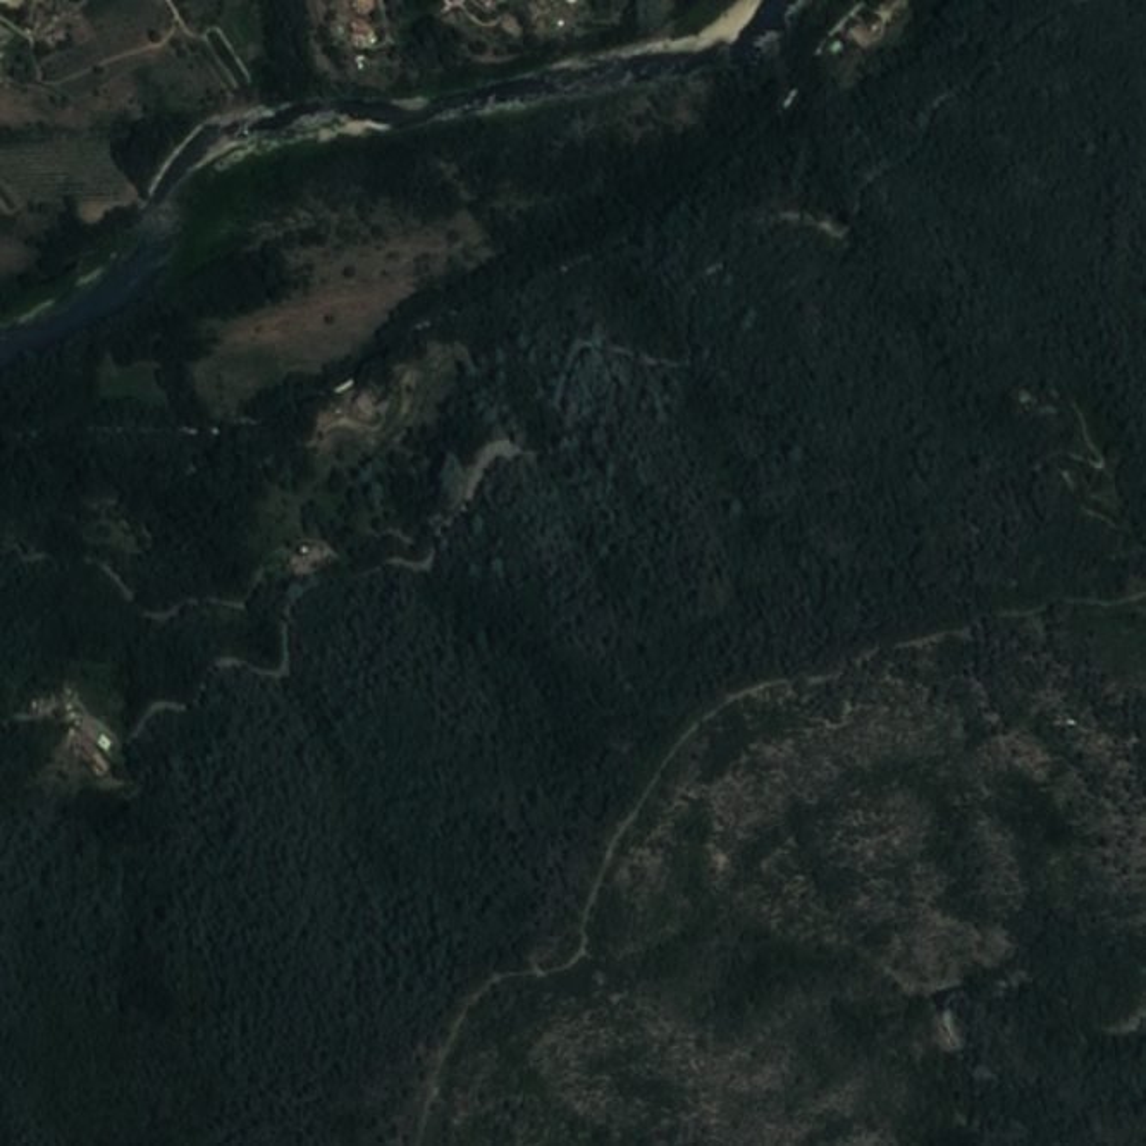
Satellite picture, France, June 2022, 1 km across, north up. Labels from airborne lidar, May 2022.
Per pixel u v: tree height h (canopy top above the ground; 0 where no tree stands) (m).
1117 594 6
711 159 18
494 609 11
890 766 8
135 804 16
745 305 9
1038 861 10
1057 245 11
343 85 9
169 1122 11
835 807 9
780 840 13
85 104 0
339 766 11
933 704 17
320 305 0
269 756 16
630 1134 10
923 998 21
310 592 9
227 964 22
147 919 24
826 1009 7
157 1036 19
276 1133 15
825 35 8
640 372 13
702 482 11
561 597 13
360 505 7
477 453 11
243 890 17
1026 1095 8
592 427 8
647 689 8
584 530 7
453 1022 17
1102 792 12
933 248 10
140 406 17
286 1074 9
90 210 0
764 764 7
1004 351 7
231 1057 21
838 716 15
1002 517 11
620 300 12
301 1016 16
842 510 11
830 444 6
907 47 8
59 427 13
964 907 10
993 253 10
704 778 6
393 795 7
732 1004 9
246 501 16
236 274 11
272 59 9
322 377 8
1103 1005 10
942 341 11
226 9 12
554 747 9
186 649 13
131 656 16
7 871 21
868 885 8
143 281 0
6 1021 15
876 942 14
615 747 8
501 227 13
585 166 11
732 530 7
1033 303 11
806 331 7
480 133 15
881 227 10
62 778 7
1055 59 10
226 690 11
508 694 14
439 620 7
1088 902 10
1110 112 11
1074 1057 8
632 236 13
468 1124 6
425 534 11
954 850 15
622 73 0
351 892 12
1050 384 11
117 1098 15
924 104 12
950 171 11
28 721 8
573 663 7
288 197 6
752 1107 9
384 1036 15
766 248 8
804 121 15
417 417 0
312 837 22
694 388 9
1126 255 22
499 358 25
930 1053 8
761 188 13
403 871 9
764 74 21
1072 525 8
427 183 13
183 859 12
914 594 10
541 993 7
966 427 7
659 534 11
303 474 16
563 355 9
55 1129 14
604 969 7
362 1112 5
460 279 9
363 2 0
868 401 8
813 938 7
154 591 20
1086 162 11
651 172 19
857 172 13
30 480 18
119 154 14
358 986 11
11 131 7
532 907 6
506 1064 6
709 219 10
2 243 0
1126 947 10
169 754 9
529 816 14
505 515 14
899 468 9
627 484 10
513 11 6
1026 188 9
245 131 0
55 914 19
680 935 9
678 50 0
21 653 10
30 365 18
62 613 12
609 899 7
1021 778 7
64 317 0
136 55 0
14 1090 13
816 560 7
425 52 11
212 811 16
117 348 14
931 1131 13
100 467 15
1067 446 8
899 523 9
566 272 8
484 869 6
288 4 9
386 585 7
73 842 15
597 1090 7
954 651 9
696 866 7
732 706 7
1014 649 7
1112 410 12
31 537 9
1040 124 12
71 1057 16
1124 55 9
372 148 11
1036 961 9
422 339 14
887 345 11
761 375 12
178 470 14
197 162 0
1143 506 11
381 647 25
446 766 11
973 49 16
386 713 10
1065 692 15
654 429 10
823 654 13
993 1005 10
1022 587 9
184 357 7
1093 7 7
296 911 14
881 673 17
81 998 14
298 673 9
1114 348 19
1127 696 7
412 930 20
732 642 17
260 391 11
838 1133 10
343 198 7
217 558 20
